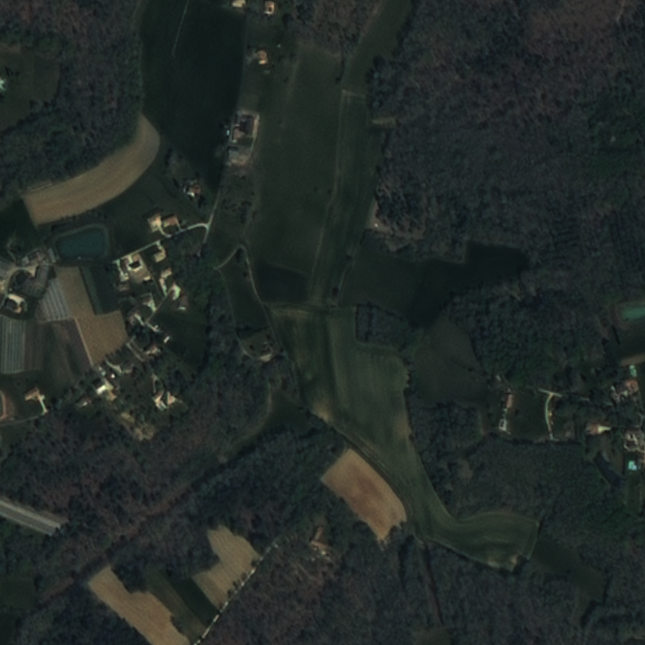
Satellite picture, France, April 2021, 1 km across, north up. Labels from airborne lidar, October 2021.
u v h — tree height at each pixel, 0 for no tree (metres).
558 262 18
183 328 0
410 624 20
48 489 8
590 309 17
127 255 0
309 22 21
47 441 12
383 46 0
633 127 6
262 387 19
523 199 22
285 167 0
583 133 17
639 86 13
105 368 10
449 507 11
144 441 7
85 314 0
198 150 0
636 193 16
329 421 0
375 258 0
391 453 0
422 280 0
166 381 14
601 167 14
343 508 22
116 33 18
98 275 0
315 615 16
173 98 0
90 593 18
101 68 22
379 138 0
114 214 0
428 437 15
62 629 31
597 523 28
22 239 0
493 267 0
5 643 0
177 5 0
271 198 0
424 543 0
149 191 0
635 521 11
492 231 24
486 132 19
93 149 24
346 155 0
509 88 9
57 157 27
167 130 0
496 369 22
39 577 10
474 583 15
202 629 0
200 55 0
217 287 18
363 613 14
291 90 0
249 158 0
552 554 0
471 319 15
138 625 0
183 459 11
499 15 18
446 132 21
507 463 21
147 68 0
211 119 0
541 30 0
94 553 16
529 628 19
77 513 14
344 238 0
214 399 13
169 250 19
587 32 8
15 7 6
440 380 0
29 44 17
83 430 0
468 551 0
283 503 11
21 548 13
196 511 21
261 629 14
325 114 0
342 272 0
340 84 13
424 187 15
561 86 12
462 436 19
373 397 0
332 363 0
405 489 0
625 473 6
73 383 0
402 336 14
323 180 0
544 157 12
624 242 18
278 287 0
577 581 0
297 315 0
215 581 0
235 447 0
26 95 0
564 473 22
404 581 21
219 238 0
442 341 0
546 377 21
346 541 24
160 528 26
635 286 15
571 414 11
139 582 26
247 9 18
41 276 0
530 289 14
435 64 21
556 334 18
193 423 12
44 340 0
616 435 13
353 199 0
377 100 12
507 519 0
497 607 16
